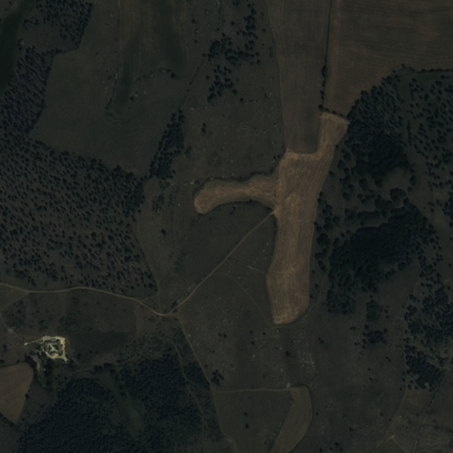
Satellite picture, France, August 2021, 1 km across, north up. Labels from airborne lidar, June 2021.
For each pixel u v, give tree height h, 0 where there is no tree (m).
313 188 0
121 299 0
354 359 0
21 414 0
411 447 0
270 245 0
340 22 0
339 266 6
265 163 0
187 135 0
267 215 0
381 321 0
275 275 0
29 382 0
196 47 0
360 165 11
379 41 0
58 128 0
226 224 0
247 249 0
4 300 0
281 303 0
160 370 7
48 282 0
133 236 0
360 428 0
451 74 0
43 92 9
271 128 0
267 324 0
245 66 0
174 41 0
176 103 0
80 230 0
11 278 0
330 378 0
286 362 0
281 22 0
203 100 0
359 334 0
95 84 0
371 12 0
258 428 0
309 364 0
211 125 0
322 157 0
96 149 0
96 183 10
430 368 12
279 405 0
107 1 0
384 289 0
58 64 0
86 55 0
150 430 7
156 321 0
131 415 0
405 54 0
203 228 0
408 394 0
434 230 7
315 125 0
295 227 0
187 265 0
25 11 0
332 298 9
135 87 0
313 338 0
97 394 10
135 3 0
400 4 0
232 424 0
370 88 0
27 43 0
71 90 0
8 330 0
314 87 0
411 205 9
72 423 8
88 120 0
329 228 8
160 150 8
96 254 12
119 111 0
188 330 0
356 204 0
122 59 0
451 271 0
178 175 0
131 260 9
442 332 10
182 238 0
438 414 0
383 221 0
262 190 0
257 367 0
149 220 0
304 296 0
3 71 0
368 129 13
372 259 12
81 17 6
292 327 0
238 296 0
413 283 0
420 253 10
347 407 0
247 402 0
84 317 0
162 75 0
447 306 7
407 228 9
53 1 7
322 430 0
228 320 0
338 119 0
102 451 11
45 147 10
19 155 9
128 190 10
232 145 0
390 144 13
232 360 0
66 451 13
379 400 0
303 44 0
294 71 0
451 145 0
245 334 0
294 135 0
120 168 13
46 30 0
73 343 0
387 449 0
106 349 0
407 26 0
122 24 0
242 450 0
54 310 0
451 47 0
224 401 0
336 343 0
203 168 0
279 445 0
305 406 0
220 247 0
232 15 0
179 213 0
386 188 0
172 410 8
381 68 0
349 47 0
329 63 0
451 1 0
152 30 0
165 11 0
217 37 0
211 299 0
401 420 0
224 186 0
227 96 0
